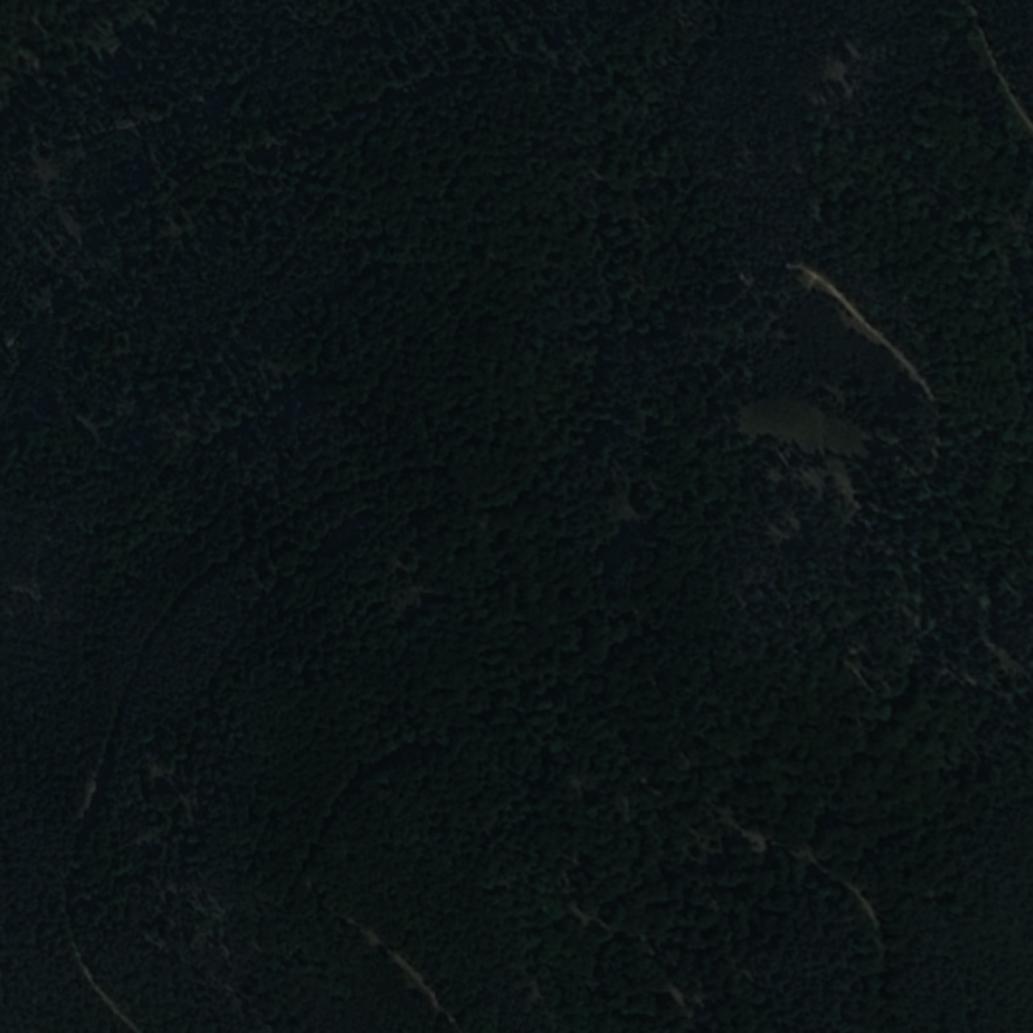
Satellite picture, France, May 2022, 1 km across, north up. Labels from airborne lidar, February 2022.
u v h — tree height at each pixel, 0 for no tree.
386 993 13
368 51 21
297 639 22
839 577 28
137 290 17
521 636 32
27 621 22
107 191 9
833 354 11
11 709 20
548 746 31
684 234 27
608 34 21
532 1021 11
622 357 39
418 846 17
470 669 27
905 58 27
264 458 36
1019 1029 24
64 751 22
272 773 23
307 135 19
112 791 19
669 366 46
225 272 14
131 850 11
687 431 35
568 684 34
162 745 25
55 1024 28
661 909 25
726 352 9
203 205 8
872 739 31
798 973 35
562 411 23
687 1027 20
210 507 16
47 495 23
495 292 28
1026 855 27
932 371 23
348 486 25
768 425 0
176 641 25
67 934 22
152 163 32
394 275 29
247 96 13
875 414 9
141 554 12
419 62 27
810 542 22
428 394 31
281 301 13
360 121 29
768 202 27
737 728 31
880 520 30
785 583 24
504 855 17
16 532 21
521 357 26
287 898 15
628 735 27
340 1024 18
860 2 19
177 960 24
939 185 30
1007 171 31
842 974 35
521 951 9
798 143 29
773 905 32
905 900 26
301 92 22
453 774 30
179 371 9
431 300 29
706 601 25
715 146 29
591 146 32
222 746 19
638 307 36
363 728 29
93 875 22
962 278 17
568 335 33
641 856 31
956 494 29
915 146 24
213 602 23
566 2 39
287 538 20
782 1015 27
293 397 33
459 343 30
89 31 29
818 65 21
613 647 26
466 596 25
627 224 33
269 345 35
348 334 29
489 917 17
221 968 11
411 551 10
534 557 28
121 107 9
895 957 19
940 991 28
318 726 26
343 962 16
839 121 20
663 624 21
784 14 23
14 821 29
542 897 22
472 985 18
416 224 28
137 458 33
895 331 22
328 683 26
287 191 30
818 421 0
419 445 30
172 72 36
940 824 17
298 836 28
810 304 9
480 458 31
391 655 24
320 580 25
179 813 25
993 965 28
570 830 32
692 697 28
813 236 23
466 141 31
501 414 27
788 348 11
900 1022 28
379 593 15
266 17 35
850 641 23
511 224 28
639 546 29
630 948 32
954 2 35
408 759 29
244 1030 27
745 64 26
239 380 32
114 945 24
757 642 26
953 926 26
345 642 22
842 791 24
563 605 29
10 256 32
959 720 27
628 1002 34
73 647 23
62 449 25
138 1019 24
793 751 27
